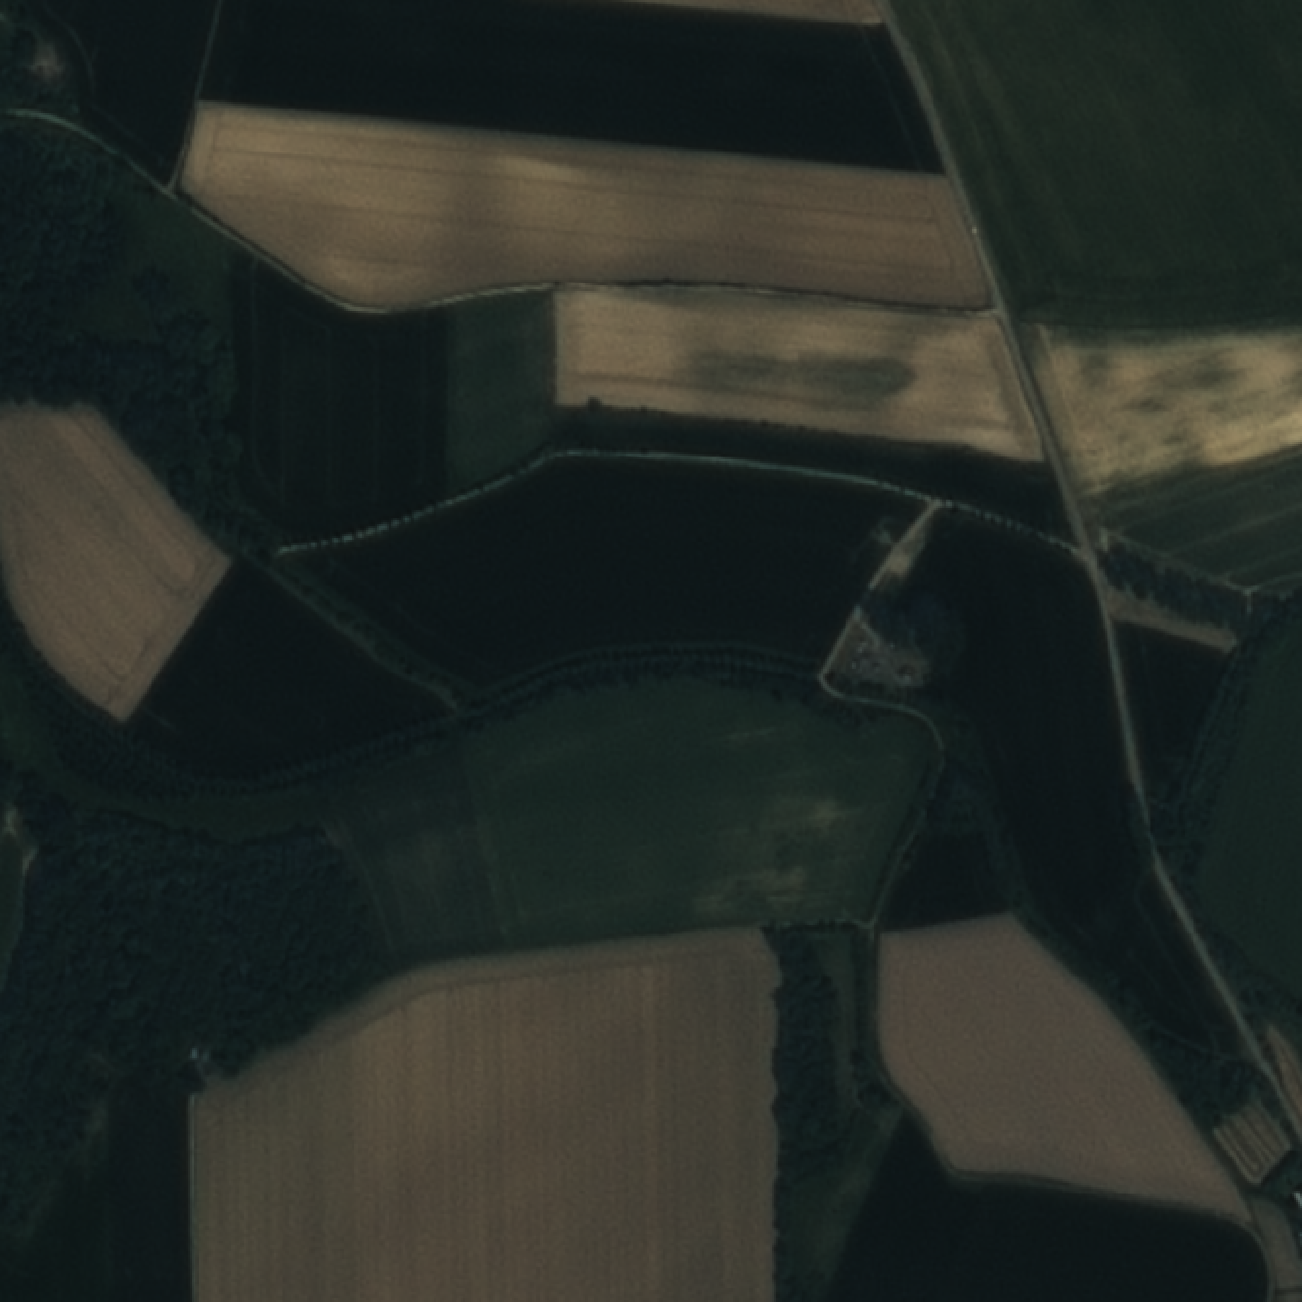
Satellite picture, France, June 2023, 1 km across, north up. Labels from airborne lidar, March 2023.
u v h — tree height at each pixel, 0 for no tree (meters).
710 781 0
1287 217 0
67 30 0
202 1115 0
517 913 0
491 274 0
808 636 0
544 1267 0
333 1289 0
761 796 0
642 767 0
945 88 0
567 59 0
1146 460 0
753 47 0
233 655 0
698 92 0
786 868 0
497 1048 0
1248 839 0
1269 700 0
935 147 0
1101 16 0
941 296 0
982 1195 0
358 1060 0
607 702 0
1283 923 0
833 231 0
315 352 0
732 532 0
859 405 0
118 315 0
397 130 0
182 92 0
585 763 0
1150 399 0
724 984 0
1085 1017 0
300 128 0
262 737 0
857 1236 0
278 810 0
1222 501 0
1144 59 0
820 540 0
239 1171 0
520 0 0
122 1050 22
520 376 0
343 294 0
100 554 0
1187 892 7
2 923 0
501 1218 0
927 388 0
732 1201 0
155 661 0
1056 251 0
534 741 0
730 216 0
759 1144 0
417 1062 0
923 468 0
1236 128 0
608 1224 0
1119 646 0
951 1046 0
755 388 0
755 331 0
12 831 0
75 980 22
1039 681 0
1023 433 0
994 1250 0
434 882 0
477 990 0
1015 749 0
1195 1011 0
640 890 0
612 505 0
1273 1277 0
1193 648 0
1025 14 0
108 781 6
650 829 0
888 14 0
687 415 0
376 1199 0
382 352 0
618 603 0
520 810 0
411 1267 0
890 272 0
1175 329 0
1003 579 0
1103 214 0
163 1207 0
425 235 0
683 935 0
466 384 0
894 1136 0
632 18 0
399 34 0
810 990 16
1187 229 0
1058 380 0
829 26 0
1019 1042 0
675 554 0
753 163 0
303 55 0
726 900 0
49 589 0
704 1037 0
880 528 0
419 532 0
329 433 0
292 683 0
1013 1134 0
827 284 0
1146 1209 0
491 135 0
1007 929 0
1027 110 0
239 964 15
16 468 0
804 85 0
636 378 0
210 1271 0
